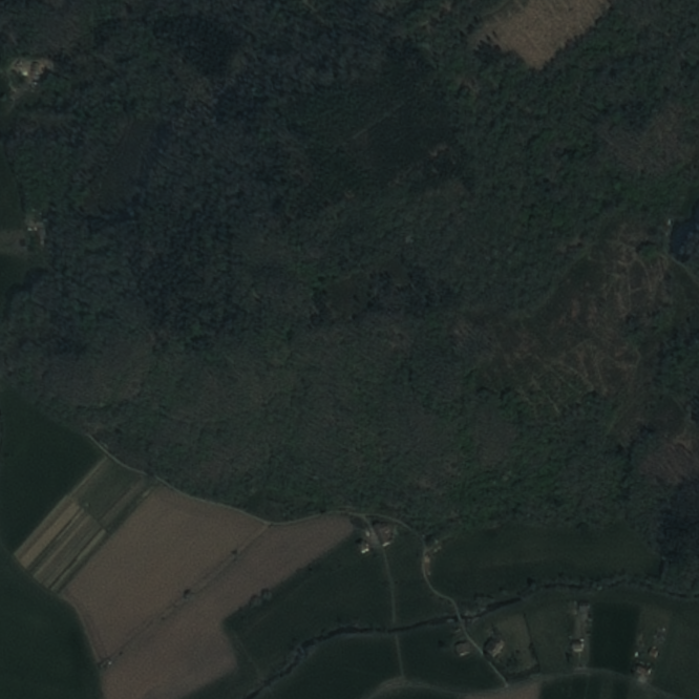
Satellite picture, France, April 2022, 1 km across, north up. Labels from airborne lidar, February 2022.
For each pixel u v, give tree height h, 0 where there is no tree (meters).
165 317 9
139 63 23
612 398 18
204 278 20
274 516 0
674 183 22
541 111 20
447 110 7
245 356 20
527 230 18
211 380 17
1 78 0
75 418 24
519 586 0
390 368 23
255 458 26
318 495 22
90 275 29
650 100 23
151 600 0
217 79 25
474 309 23
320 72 16
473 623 7
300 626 0
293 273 25
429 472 20
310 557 0
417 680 0
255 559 0
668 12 23
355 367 21
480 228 19
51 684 0
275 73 25
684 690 0
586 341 0
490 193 17
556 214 27
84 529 0
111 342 9
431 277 19
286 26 24
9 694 0
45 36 16
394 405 18
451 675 0
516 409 21
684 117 31
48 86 14
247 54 24
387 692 0
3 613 0
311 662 0
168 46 15
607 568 0
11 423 0
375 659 0
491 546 0
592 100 33
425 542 18
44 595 0
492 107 18
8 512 0
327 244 21
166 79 15
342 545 0
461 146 7
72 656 0
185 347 17
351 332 28
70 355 15
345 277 30
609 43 25
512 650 0
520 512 20
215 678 0
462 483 13
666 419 0
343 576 0
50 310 24
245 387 20
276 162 23
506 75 15
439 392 23
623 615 0
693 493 21
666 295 0
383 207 20
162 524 0
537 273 20
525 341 0
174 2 19
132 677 0
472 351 26
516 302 24
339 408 22
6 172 0
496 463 17
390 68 8
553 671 0
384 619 0
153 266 25
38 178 18
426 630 0
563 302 0
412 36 15
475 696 0
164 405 19
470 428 22
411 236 21
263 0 16
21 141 25
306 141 18
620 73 19
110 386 14
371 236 23
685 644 0
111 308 23
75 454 0
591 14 0
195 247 31
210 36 24
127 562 0
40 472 0
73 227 23
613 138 29
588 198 32
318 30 15
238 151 25
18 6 23
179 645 0
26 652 0
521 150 24
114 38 9
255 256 14
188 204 26
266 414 21
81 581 0
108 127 19
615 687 0
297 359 21
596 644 0
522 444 21
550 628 0
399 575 0
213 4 28
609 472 20
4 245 0
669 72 21
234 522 0
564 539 0
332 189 6
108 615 0
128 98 11
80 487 0
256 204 22
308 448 27
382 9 20
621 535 0
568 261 17
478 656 0
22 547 0
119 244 22
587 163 27
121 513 0
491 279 22
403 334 31
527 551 0
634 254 0
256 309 27
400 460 20
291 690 0
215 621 0
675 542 30
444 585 0
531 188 17
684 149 33
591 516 22
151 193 25
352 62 24
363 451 17
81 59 27
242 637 0
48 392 16
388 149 6
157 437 18
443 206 16
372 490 30
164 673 0
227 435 19
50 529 0
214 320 21
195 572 0
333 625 0
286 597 0
